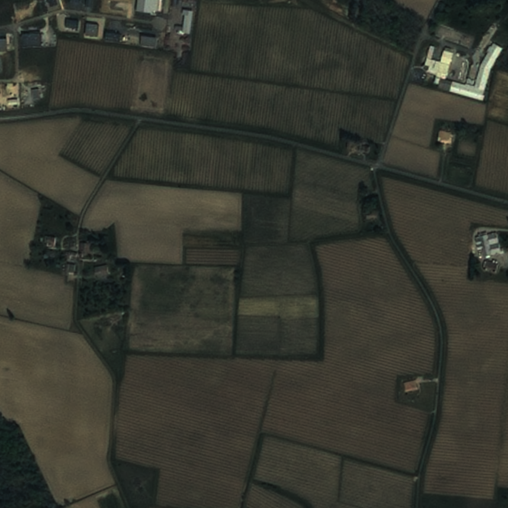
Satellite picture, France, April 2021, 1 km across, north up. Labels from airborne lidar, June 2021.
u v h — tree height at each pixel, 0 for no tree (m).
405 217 0
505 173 0
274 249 0
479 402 0
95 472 0
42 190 0
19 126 0
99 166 0
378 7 26
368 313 0
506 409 0
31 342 0
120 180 0
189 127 0
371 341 0
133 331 0
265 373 0
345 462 0
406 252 0
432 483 0
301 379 0
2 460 24
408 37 19
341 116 0
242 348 0
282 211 0
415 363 0
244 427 0
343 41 0
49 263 12
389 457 0
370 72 0
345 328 0
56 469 0
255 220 0
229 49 0
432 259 0
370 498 0
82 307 8
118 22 0
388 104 0
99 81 0
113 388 0
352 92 0
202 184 0
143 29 0
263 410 0
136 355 0
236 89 0
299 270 0
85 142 0
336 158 0
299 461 0
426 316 0
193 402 0
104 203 0
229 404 0
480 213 0
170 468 0
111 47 0
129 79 0
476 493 0
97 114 0
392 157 0
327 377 0
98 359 0
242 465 0
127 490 0
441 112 0
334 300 0
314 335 0
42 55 0
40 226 6
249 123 0
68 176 0
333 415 0
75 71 0
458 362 0
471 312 0
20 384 0
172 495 0
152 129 0
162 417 0
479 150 0
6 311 0
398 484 0
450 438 0
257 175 0
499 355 0
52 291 0
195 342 0
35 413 0
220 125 0
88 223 0
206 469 0
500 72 0
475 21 0
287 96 0
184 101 0
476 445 0
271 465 0
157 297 0
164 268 0
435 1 0
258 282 0
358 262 0
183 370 0
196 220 0
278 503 0
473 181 0
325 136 0
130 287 11
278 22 0
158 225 0
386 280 0
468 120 0
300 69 0
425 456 0
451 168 0
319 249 0
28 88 0
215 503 0
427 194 0
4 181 0
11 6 0
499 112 0
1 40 0
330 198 0
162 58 0
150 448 0
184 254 0
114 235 0
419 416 0
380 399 0
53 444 0
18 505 21
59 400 0
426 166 0
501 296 0
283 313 0
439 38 0
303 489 0
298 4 0
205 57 0
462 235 0
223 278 0
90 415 0
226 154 0
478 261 12
